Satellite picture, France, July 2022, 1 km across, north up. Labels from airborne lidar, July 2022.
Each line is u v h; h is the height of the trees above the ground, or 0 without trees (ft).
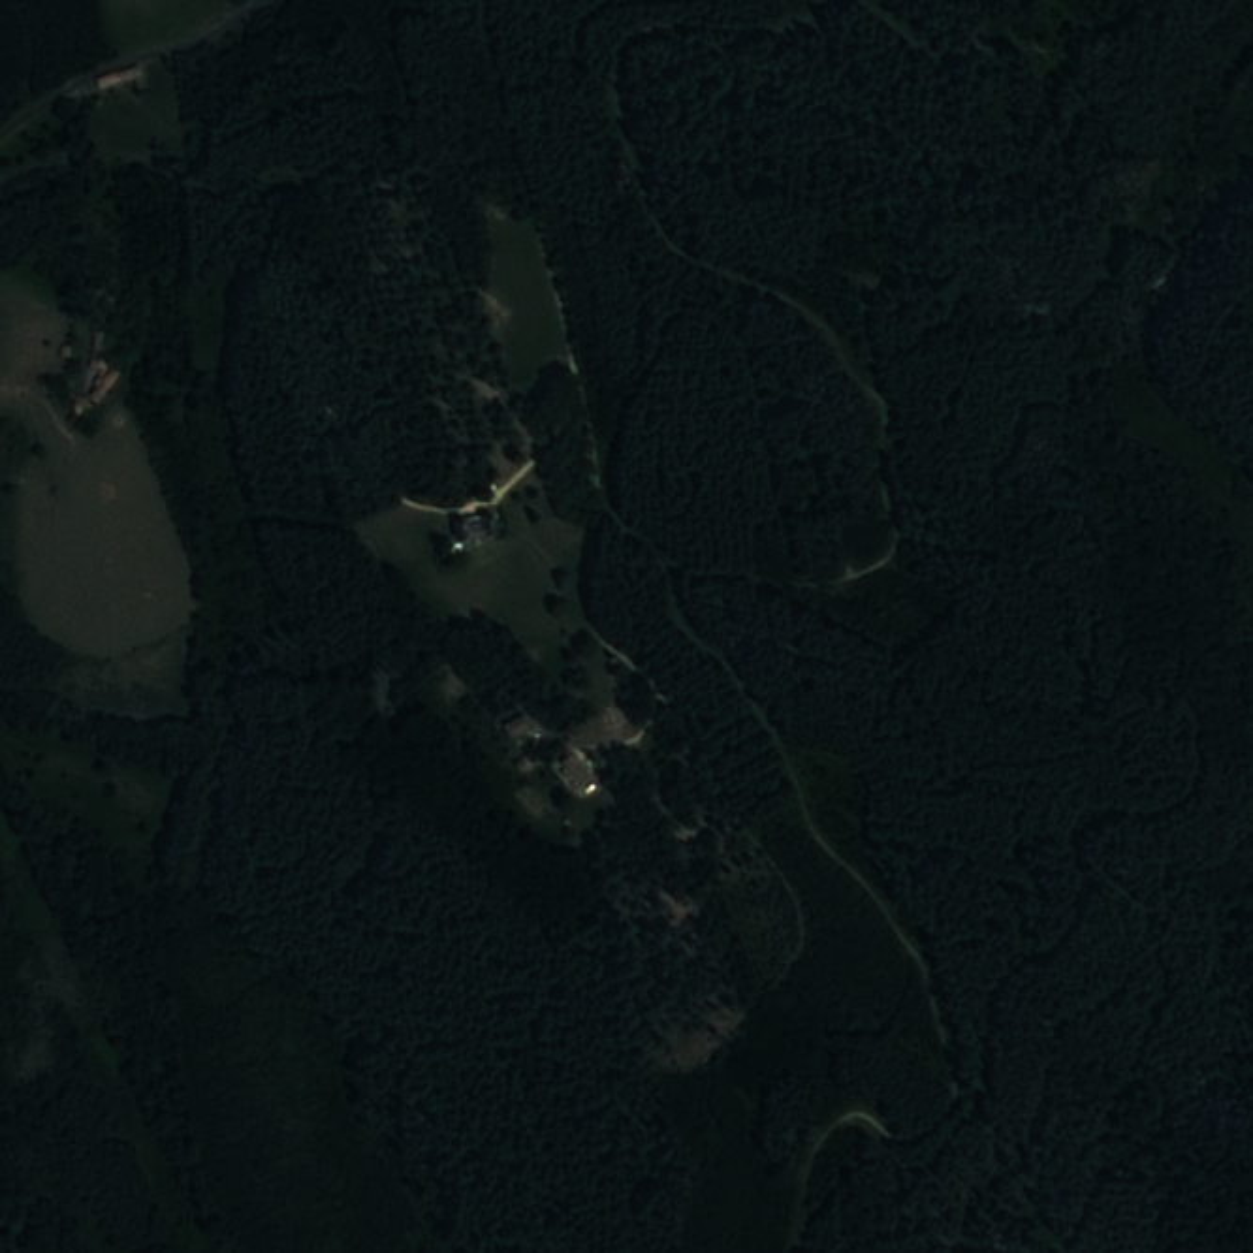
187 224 84
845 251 26
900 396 71
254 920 79
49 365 0
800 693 66
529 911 72
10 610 55
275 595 25
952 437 73
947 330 81
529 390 0
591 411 26
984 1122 96
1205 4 106
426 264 48
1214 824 99
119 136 0
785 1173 105
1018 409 66
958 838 71
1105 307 114
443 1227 28
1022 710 91
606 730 0
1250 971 70
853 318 46
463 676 75
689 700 90
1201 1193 70
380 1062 126
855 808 35
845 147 81
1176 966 101
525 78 86
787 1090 74
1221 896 59
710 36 76
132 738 72
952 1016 113
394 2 30
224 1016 19
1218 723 60
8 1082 28
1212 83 43
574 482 87
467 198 58
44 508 0
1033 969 99
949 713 71
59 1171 42
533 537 0
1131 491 59
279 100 38
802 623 100
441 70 83
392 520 0
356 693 46
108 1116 40
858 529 33
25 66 29
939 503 69
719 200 124
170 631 0
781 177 68
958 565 95
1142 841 96
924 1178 93
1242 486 22
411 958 114
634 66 86
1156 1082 69
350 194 64
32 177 24
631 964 139
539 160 122
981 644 96
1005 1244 109
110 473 0
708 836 45
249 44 34
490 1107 131
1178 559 62
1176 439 0
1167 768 127
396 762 89
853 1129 21
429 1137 107
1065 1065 86
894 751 76
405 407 57
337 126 104
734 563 85
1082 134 85
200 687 92
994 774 85
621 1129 121
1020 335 77
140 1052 67
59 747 0
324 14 28
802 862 27
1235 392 98
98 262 18
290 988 22
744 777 96
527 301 0
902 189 92
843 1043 50
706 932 103
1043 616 95
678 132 130
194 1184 68
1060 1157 100
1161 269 117
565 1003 98
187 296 25
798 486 73
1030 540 62
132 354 30
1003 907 117
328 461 141
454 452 64
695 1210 27
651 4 91
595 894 84
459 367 47
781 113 114
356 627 84
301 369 106
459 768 73
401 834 114
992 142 111
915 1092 68
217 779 86
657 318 92
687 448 97
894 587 25
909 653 82
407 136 99
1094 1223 100
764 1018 28
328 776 107
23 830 80
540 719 65
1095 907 117
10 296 0
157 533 0
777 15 81
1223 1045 110
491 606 0
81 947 65
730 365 98
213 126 89
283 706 108
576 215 108
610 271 79
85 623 0
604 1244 65
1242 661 72
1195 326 98
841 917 31
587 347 46
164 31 0
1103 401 98
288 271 111
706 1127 24
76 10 32
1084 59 112
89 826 33
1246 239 84
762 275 30
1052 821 70
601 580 101
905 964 20
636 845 73
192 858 55
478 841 89
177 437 28
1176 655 47
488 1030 117
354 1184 18
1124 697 114
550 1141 65
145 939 71
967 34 129
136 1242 50
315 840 104
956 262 140
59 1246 50
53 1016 22
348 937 108
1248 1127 93
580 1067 109
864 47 147
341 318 98
